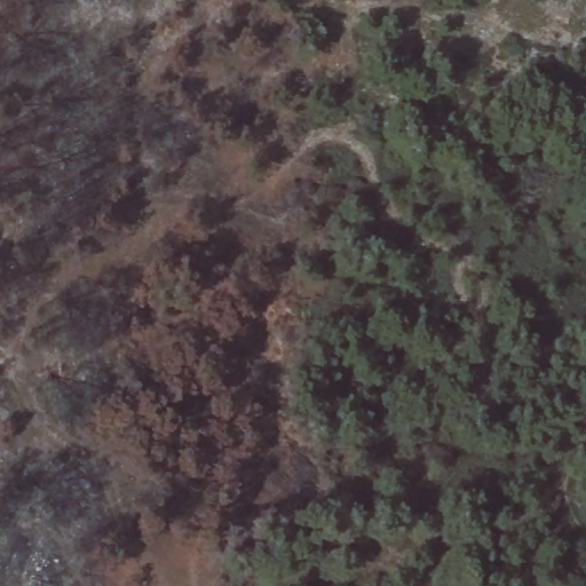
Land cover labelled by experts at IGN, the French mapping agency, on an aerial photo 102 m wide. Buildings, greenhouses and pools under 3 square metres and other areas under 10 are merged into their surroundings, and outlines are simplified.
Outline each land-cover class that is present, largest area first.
<instances>
[{"label":"coniferous trees","instance_id":"1","mask_svg":"<svg viewBox=\"0 0 586 586\"><path fill-rule=\"evenodd\" d=\"M0 586H586V0H0Z\"/></svg>","mask_w":586,"mask_h":586}]
</instances>
